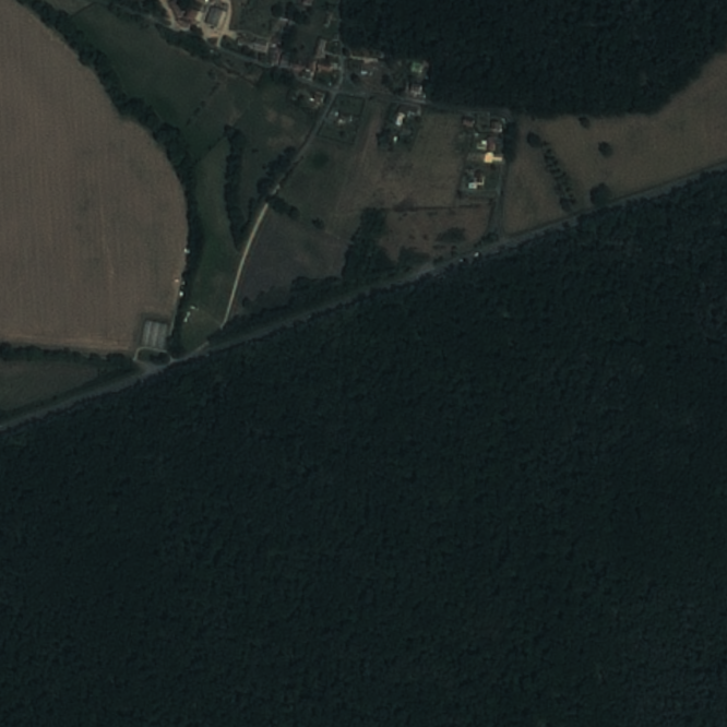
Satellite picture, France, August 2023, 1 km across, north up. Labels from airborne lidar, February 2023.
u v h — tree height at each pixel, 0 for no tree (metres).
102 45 0
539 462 24
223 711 19
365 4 24
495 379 24
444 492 21
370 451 19
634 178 0
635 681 19
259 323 13
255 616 23
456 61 25
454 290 21
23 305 0
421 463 25
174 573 22
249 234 11
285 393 22
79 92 0
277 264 0
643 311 23
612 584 22
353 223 0
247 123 0
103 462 23
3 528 25
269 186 16
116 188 0
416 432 24
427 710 20
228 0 0
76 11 0
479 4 23
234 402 22
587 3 8
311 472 6
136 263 0
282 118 0
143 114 18
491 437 21
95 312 0
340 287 11
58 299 0
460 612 22
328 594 20
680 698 20
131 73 0
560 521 26
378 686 21
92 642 24
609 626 18
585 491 21
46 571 24
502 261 15
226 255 0
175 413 21
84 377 0
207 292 0
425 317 24
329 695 21
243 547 23
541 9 24
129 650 24
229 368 15
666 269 22
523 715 20
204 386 17
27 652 22
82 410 12
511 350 25
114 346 0
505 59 26
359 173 0
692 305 20
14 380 0
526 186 0
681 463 28
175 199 0
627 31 23
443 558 21
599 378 22
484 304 11
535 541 25
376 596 22
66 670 23
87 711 27
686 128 0
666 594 26
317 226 12
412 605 25
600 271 20
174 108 0
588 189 0
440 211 0
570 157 0
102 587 22
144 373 0
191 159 14
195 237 15
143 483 19
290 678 23
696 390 26
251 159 0
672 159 0
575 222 0
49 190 0
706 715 25
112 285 0
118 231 0
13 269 0
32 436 18
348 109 0
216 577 26
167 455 22
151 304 0
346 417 24
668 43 23
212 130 0
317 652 21
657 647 24
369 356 24
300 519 23
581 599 22
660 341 23
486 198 0
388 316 21
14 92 0
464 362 25
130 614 23
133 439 21
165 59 0
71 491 19
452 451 27
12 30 0
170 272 0
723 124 0
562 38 22
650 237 24
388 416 26
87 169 0
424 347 23
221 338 12
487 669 21
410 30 25
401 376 22
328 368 22
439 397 23
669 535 25
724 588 21
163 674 24
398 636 23
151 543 20
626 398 22
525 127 0
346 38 19
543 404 22
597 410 24
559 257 19
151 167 0
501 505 21
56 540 24
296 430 20
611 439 22
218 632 20
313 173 0
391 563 22
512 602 19
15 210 0
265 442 24
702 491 26
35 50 0
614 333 17
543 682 24
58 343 0
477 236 0
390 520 24
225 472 24
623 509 30
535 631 25
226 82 0
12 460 22
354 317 17
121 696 23
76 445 25
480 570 23
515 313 22
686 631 20
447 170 0
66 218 0
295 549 23
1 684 23
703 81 0
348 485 24
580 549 27
